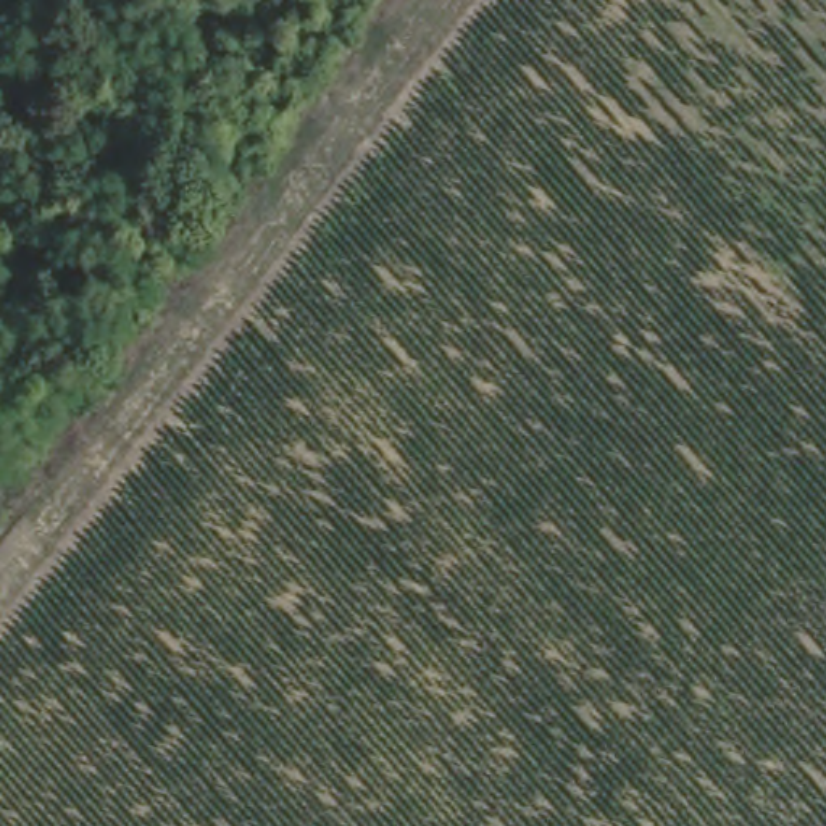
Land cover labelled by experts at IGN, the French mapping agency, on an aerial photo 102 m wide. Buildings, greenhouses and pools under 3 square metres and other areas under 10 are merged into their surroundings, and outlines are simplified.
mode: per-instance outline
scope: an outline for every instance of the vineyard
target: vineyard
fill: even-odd
[[[65,565],[39,587],[39,594],[29,600],[19,620],[0,632],[0,826],[826,826],[826,0],[494,0],[461,32],[458,45],[445,55],[445,68],[426,77],[419,97],[407,110],[410,126],[394,126],[387,132],[387,142],[342,187],[339,203],[313,226],[307,248],[290,258],[287,271],[261,300],[258,313],[268,319],[268,329],[274,329],[277,339],[268,342],[248,323],[242,332],[229,339],[229,348],[210,368],[207,384],[200,384],[197,394],[187,397],[181,429],[161,429],[158,442],[145,452],[142,468],[119,484],[116,500],[77,539],[77,549],[68,552]]]

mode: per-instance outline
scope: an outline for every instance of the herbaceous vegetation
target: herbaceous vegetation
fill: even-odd
[[[39,587],[65,565],[68,552],[77,549],[77,539],[116,500],[119,484],[142,468],[145,452],[158,442],[161,429],[181,429],[187,397],[197,394],[200,384],[207,384],[210,368],[229,348],[229,339],[242,332],[248,323],[268,342],[277,339],[274,329],[268,329],[268,319],[258,313],[261,300],[287,271],[290,258],[307,248],[313,226],[339,203],[342,187],[387,142],[387,132],[394,126],[410,126],[407,110],[419,97],[426,77],[445,68],[445,55],[458,45],[461,32],[494,0],[368,0],[374,19],[368,26],[365,45],[345,55],[336,84],[319,97],[316,106],[307,110],[290,136],[290,148],[281,161],[281,171],[274,177],[248,184],[245,207],[229,219],[213,261],[203,271],[174,281],[158,313],[158,323],[152,329],[142,329],[139,339],[126,348],[119,387],[100,403],[100,410],[71,423],[55,439],[48,458],[29,474],[26,484],[6,487],[0,481],[0,632],[19,620],[29,600],[39,594]]]

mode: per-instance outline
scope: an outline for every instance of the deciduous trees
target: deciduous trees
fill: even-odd
[[[142,329],[152,329],[158,323],[158,313],[174,281],[203,271],[213,261],[229,219],[245,207],[248,184],[274,177],[281,171],[281,161],[290,148],[290,136],[307,110],[290,103],[284,113],[274,110],[274,90],[281,68],[294,65],[297,35],[319,29],[310,0],[0,0],[0,481],[6,487],[26,484],[29,474],[48,458],[55,439],[71,423],[100,410],[100,403],[119,387],[126,348],[139,339]]]

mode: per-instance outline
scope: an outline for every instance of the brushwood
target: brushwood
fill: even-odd
[[[316,106],[319,97],[336,84],[345,55],[365,45],[368,26],[374,19],[368,0],[310,0],[319,29],[297,35],[294,65],[281,68],[274,90],[274,110],[284,113],[290,103],[307,110]]]

